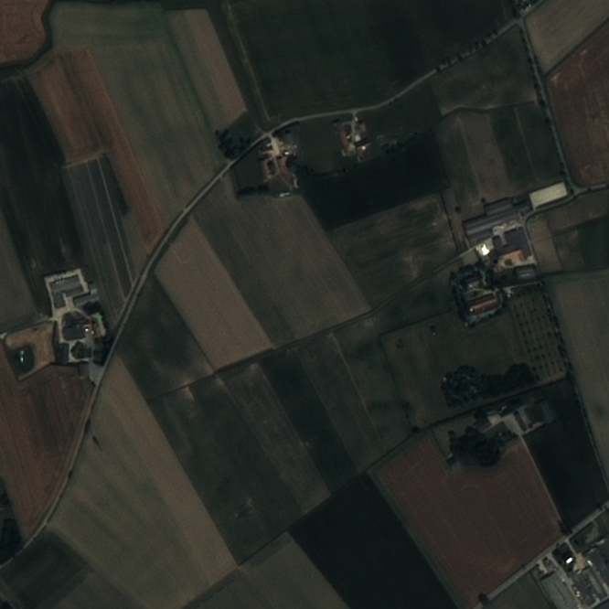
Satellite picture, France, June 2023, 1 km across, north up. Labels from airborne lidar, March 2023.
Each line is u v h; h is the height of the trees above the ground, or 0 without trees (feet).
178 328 0
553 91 0
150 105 0
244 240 0
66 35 0
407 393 0
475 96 0
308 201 0
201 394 0
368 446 0
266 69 0
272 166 35
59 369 0
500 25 0
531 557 0
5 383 0
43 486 0
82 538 0
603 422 0
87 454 0
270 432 0
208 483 0
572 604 0
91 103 0
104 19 0
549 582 0
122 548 0
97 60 0
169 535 0
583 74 0
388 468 0
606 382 0
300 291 0
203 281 0
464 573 0
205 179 0
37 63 0
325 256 0
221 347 0
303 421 0
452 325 0
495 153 0
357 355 0
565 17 0
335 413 0
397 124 0
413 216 0
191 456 0
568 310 0
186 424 0
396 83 0
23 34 0
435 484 0
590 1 0
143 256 0
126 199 0
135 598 0
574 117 0
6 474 0
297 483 0
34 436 0
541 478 0
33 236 0
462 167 0
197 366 0
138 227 0
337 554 0
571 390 0
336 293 0
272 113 0
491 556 0
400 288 0
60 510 0
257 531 0
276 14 0
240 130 0
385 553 0
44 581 0
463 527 0
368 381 0
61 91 0
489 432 0
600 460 0
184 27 0
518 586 0
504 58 0
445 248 0
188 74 0
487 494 0
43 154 0
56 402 0
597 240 0
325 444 0
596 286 0
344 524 0
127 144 0
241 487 0
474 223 0
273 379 0
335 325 0
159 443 0
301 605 0
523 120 0
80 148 0
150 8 0
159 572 0
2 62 0
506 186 0
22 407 0
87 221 0
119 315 0
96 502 0
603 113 0
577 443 0
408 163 0
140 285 0
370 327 0
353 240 0
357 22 0
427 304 0
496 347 0
